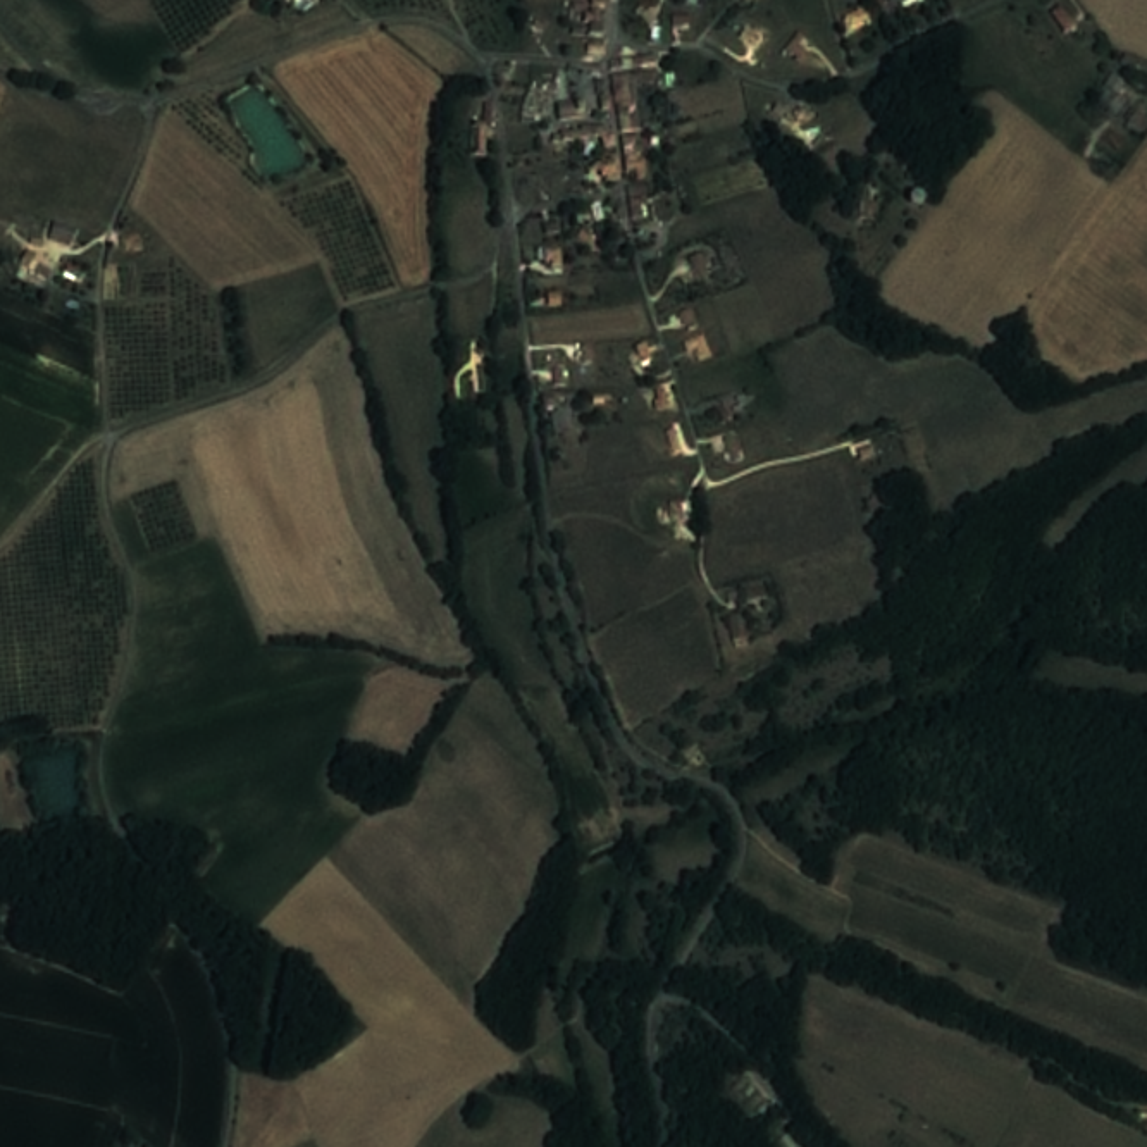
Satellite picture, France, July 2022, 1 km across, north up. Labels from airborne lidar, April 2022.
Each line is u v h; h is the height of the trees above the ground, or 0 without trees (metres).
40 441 0
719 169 0
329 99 0
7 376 0
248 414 0
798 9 0
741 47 0
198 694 0
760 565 0
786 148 15
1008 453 0
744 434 0
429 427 0
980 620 10
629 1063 11
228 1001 19
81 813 12
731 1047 11
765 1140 14
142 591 0
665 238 0
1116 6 0
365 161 0
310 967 16
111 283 0
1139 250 0
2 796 0
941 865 0
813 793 9
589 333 0
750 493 0
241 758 0
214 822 0
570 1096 17
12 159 0
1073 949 14
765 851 0
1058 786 11
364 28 0
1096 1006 0
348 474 0
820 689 9
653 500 0
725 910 12
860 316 21
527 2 0
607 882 0
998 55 0
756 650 0
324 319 0
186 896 18
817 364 0
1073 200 0
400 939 0
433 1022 0
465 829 0
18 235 0
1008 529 17
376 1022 0
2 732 25
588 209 10
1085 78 0
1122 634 10
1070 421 0
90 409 0
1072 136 0
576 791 0
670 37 0
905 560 11
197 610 0
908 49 14
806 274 0
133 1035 0
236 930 15
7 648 0
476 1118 18
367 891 0
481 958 0
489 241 0
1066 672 0
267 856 0
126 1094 0
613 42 0
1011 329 20
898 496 18
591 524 0
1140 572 10
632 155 0
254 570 0
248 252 0
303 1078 0
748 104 0
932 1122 0
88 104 0
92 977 12
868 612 8
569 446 0
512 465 6
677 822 8
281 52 0
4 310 0
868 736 15
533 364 0
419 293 0
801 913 0
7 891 19
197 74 0
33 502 0
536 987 18
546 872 10
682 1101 9
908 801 6
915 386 0
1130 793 17
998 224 0
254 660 0
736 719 9
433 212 7
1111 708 18
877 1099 0
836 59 0
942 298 0
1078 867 13
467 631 8
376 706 0
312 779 0
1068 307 0
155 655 0
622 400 0
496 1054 0
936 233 0
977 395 0
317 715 0
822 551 0
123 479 0
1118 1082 9
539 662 0
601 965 10
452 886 0
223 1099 0
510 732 0
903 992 9
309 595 0
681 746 11
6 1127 0
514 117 0
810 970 8
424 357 0
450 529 9
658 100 10
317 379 0
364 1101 0
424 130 0
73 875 21
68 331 0
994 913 0
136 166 0
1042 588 17
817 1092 0
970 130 24
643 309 0
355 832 0
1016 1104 0
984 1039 9
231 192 0
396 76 0
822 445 0
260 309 0
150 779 0
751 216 0
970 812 6
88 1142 0
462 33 0
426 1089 0
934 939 0
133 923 16
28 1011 0
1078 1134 0
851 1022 0
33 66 0
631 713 0
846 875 0
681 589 0
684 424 0
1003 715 12
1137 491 16
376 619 0
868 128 0
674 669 0
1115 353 0
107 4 0
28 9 0
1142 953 15
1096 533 12
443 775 0
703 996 12
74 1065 0
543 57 0
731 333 0
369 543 0
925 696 7
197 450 0
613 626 0
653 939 10
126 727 0
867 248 0
